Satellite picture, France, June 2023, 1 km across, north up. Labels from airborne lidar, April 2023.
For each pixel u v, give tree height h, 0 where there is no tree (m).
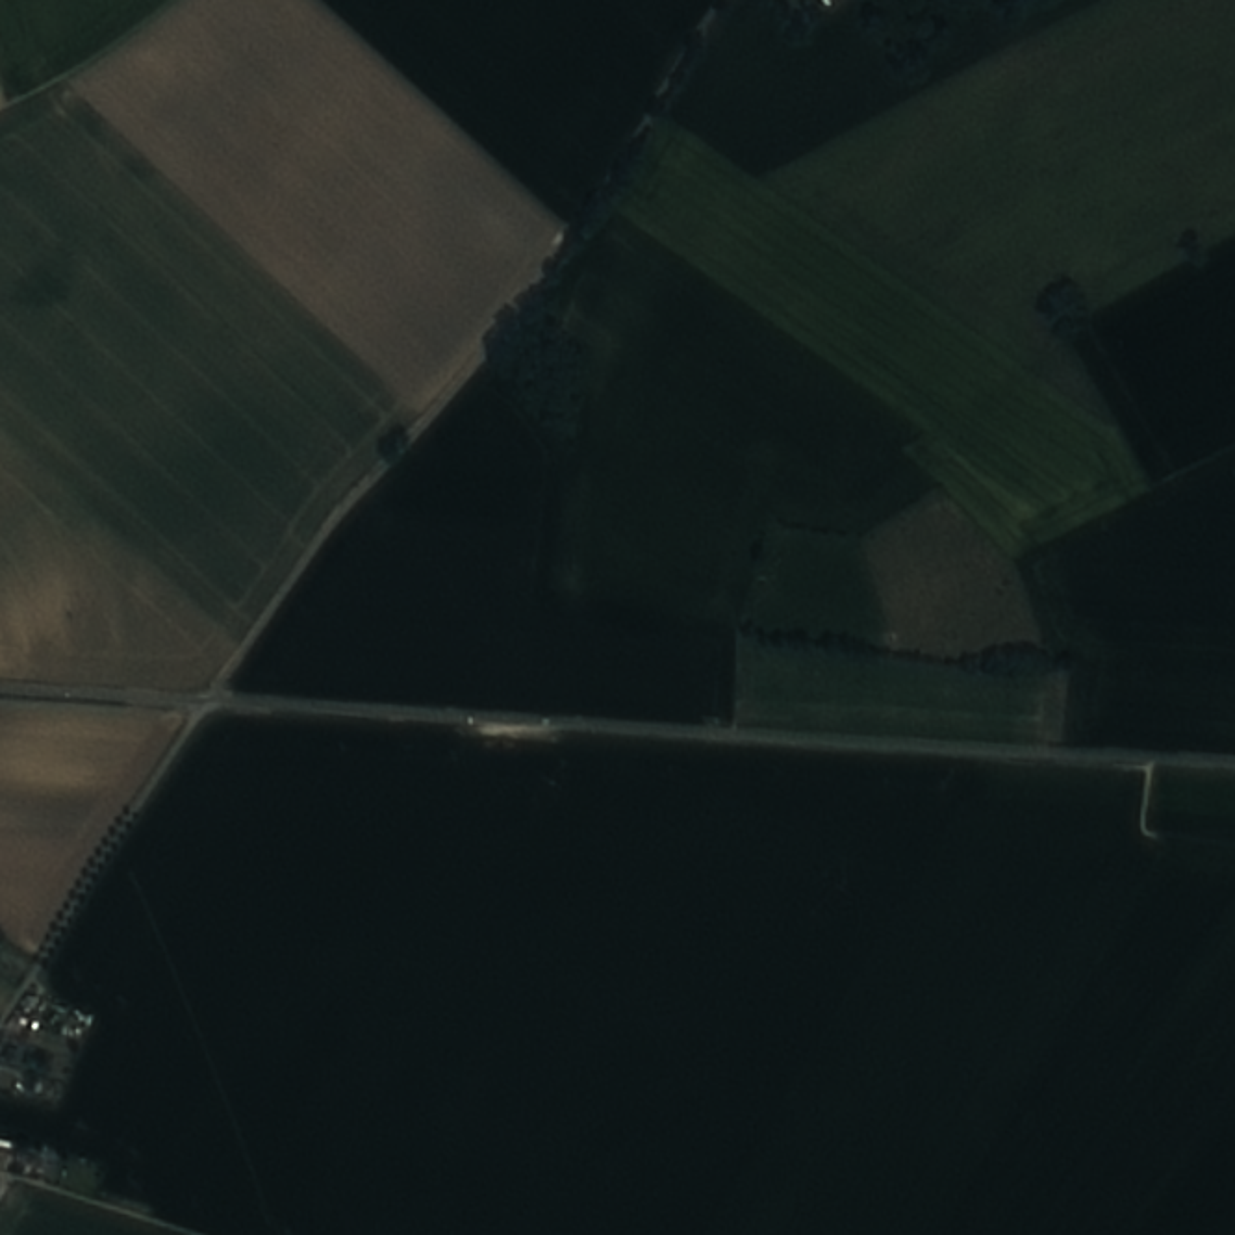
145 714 0
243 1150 0
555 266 11
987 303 0
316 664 0
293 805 0
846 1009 0
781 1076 0
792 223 0
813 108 0
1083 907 0
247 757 0
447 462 0
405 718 0
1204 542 0
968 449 0
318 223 0
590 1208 0
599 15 0
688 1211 0
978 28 0
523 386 22
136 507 0
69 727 0
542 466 0
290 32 0
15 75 0
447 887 0
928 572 0
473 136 0
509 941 0
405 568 0
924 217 0
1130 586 0
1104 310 0
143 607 0
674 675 0
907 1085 0
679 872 0
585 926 0
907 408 0
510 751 0
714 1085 0
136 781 0
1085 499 0
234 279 0
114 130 0
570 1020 0
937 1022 0
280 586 0
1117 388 0
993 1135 0
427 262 0
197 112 0
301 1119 0
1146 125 0
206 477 0
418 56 0
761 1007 0
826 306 0
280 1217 0
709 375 0
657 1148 0
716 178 0
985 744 0
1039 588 0
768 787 0
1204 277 0
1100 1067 0
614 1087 0
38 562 0
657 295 0
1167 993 0
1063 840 0
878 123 0
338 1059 0
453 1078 0
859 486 0
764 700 0
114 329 0
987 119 0
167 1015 0
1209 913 0
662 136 0
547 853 0
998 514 0
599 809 0
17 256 0
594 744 0
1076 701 0
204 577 0
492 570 0
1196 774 0
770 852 0
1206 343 0
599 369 0
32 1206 0
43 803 0
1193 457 0
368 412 0
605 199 16
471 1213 0
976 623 0
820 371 0
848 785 0
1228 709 0
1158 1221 0
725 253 0
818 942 0
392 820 0
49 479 0
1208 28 0
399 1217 0
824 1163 0
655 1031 0
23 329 0
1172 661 0
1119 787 0
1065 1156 0
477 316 0
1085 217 0
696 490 0
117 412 0
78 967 0
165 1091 0
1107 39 0
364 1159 0
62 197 0
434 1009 0
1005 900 0
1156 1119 0
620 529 0
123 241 0
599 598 0
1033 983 0
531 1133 0
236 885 0
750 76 0
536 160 0
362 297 0
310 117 0
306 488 0
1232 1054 0
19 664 0
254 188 0
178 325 0
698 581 0
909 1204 0
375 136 0
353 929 0
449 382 0
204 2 0
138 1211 0
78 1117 0
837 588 0
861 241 0
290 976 0
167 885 0
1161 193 0
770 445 0
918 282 0
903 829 0
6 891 0
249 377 0
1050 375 0
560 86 0
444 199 0
